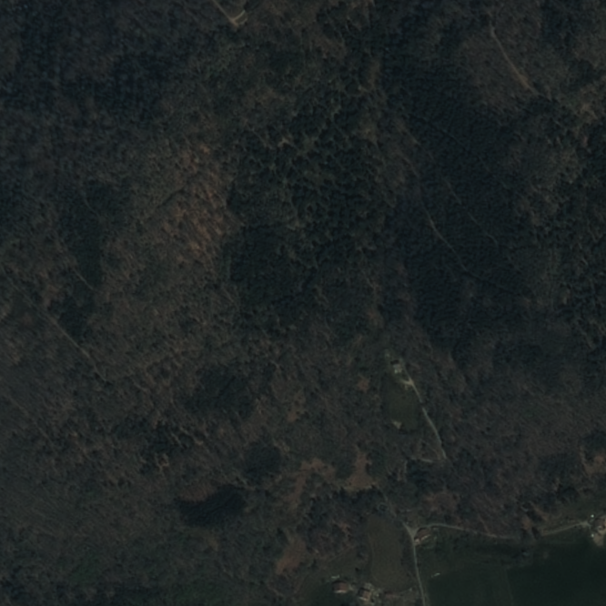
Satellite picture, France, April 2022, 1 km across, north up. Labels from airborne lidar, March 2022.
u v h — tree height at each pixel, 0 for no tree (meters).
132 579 12
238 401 23
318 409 19
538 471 23
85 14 13
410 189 15
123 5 20
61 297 15
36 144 10
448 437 15
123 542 19
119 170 19
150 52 28
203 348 23
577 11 23
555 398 23
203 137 18
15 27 24
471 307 24
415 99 29
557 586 0
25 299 18
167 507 23
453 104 27
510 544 16
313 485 16
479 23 30
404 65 11
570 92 11
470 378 22
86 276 13
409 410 0
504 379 23
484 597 0
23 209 21
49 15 17
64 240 17
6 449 22
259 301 26
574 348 9
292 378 18
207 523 19
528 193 26
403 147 25
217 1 26
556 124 21
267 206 19
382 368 13
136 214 19
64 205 15
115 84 9
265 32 19
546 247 19
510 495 14
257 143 28
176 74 23
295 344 27
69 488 22
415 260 20
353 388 20
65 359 24
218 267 23
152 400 27
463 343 25
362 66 12
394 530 0
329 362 21
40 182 12
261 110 28
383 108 28
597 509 0
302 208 33
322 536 21
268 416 19
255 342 8
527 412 23
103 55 9
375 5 14
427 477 17
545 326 17
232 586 24
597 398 21
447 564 0
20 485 24
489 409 19
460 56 17
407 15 36
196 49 13
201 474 24
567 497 20
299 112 20
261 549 18
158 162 19
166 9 34
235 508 20
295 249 21
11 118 14
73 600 16
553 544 0
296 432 17
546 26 21
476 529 15
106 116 12
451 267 23
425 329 15
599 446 32
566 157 19
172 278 20
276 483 15
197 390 26
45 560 18
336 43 22
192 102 15
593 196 19
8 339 24
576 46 8
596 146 31
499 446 15
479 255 24
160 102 19
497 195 22
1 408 16
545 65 17
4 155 28
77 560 15
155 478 26
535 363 24
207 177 23
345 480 0
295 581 20
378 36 30
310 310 31
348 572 0
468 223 23
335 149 31
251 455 23
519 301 27
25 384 26
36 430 20
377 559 0
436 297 29
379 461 19
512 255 18
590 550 0
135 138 19
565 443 22
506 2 26
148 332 7
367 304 23
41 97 15
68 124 9
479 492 26
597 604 0
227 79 17
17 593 28
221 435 26
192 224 20
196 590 14
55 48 10
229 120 16
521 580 0
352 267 20
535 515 29
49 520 13
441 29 28
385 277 27
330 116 32
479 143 28
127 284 18
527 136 21
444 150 26
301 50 13
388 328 11
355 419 25
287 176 33
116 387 16
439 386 21
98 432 23
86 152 10
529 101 22
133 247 16
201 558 23
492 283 25
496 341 23
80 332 15
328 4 16
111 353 18
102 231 16
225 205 30
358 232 39
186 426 28
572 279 25
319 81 13
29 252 18
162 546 20
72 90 14
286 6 21
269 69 14
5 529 17
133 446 20
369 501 21
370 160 16
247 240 26
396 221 21
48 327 23
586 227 13
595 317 33
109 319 19
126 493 15
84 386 21
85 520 20
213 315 23
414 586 0
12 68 18
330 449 9
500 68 23
